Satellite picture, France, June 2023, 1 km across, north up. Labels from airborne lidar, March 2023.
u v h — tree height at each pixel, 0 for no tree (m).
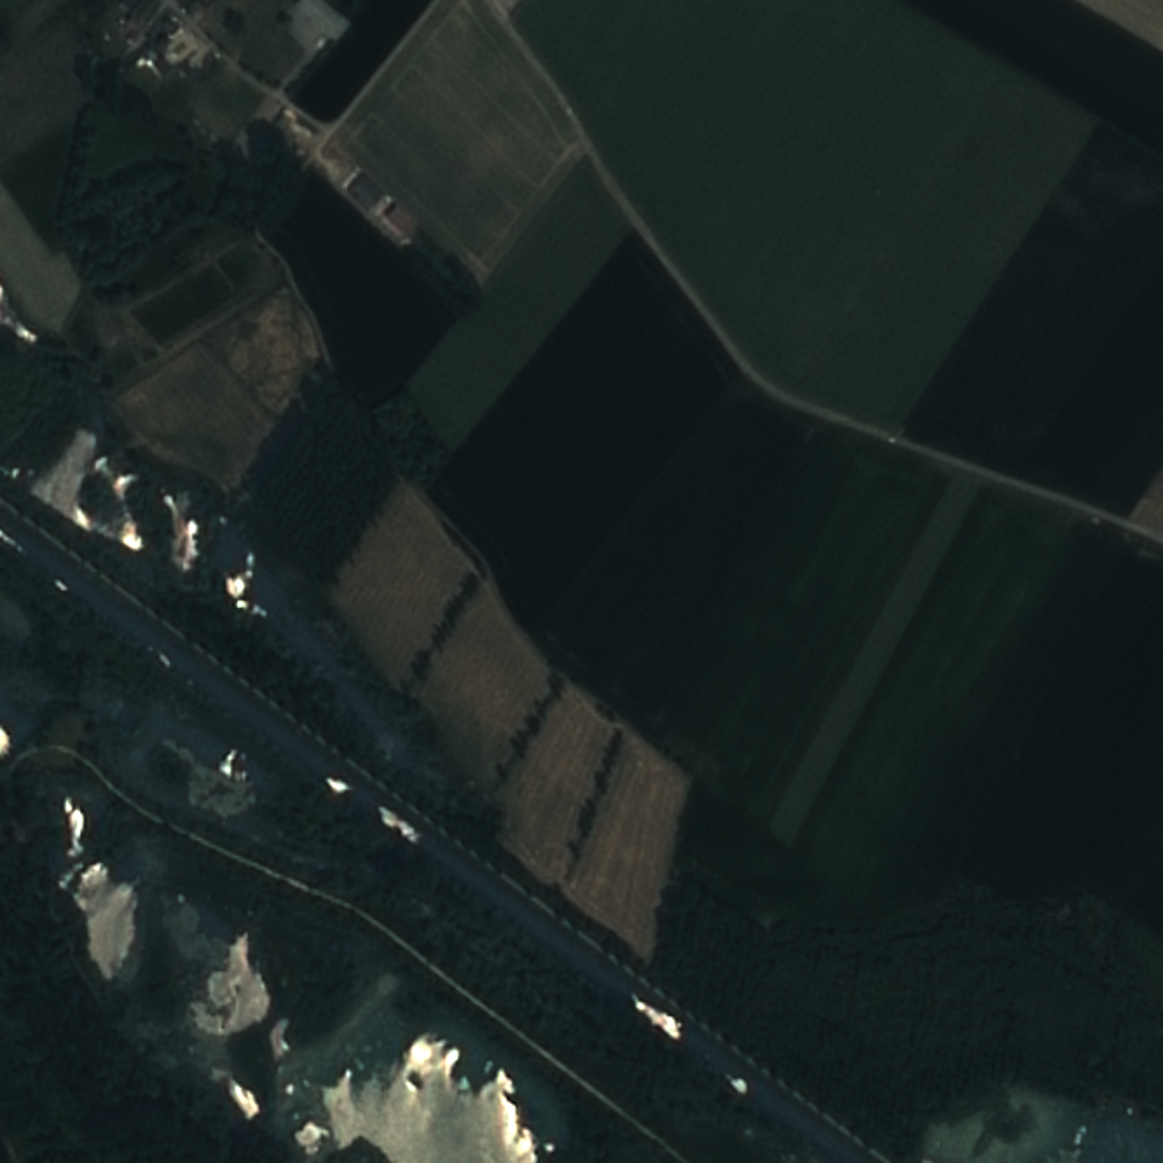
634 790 0
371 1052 0
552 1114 0
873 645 0
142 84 0
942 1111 9
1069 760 0
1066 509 0
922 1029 6
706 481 0
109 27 0
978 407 0
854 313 0
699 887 11
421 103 0
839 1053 9
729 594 0
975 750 0
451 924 6
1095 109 0
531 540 0
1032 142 0
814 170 0
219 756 0
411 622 0
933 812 0
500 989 13
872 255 0
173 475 0
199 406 0
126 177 15
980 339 0
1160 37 0
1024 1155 0
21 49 0
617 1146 15
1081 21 0
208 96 0
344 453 33
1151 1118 14
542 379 0
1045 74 0
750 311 0
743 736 0
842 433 0
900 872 0
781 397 0
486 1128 0
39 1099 20
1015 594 0
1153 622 0
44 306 0
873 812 0
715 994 19
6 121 0
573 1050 7
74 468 0
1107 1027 10
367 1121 0
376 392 0
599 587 0
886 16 0
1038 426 0
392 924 0
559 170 0
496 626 0
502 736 0
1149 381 0
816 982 7
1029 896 0
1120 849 0
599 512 0
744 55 0
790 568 0
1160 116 0
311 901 8
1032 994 11
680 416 0
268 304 0
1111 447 0
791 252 0
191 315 0
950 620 0
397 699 11
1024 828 0
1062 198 0
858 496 0
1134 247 0
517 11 0
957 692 0
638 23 0
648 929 0
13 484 6
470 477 0
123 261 16
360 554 0
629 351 0
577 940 0
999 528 0
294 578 0
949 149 0
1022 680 0
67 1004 24
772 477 0
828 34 0
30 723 0
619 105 0
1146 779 0
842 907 0
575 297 0
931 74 0
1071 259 0
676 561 0
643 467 0
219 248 0
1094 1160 0
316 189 0
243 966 0
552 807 0
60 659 10
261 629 10
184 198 9
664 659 0
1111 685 0
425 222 0
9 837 17
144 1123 27
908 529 0
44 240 0
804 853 0
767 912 0
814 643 0
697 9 0
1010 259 0
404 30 0
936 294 0
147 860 0
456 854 0
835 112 0
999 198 0
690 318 0
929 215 0
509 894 0
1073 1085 11
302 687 18
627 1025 22
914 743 0
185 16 0
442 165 0
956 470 0
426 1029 0
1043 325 0
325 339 0
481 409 0
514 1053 8
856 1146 0
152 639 0
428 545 0
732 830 0
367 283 0
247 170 32
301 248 0
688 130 0
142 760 0
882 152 0
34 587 6
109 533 0
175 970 0
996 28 0
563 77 0
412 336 0
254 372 0
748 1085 0
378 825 12
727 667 0
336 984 13
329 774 0
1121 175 0
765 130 0
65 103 0
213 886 0
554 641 0
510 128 0
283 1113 0
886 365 0
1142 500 0
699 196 0
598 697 0
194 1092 15
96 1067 20
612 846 0
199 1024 0
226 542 0
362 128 0
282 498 31
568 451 0
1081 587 0
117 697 0
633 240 0
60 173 0
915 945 7
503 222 0
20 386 8
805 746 0
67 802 0
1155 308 0
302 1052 0
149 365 0
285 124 0
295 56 0
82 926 8
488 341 0
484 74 0
